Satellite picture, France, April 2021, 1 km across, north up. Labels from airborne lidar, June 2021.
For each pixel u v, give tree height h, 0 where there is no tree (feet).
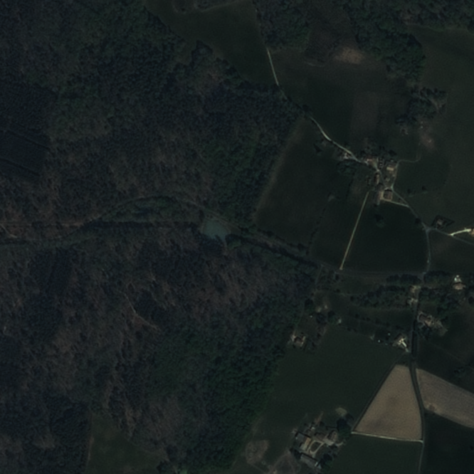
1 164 36
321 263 0
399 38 75
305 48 60
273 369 75
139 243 55
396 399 0
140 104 79
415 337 51
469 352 0
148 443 33
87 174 68
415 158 0
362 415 0
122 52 74
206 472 70
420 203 0
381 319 0
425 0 76
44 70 75
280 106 96
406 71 88
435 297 54
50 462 73
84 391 37
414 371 0
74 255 74
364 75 0
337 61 0
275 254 71
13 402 52
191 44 0
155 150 88
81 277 51
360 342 0
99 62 41
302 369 0
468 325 0
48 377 57
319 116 0
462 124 0
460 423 0
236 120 97
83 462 25
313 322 0
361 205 0
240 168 79
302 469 0
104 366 48
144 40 50
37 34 57
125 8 62
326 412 0
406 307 24
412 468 0
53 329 56
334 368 0
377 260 0
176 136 57
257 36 0
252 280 42
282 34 57
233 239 33
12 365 24
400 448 0
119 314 41
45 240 62
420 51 86
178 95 87
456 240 0
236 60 0
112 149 87
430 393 0
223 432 66
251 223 67
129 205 68
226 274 34
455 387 0
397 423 0
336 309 0
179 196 54
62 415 66
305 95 0
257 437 0
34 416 80
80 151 83
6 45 46
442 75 0
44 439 37
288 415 0
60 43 61
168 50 74
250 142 67
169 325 49
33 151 45
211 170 37
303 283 70
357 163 23
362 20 79
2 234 35
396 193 0
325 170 0
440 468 0
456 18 64
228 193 60
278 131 83
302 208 0
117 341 52
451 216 0
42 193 40
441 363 0
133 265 47
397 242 0
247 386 95
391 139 0
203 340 75
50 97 51
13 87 56
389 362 0
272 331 53
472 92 0
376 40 88
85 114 43
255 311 58
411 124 66
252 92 71
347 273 0
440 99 46
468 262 0
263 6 39
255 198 68
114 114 35
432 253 0
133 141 82
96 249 35
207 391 72
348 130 0
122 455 0
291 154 0
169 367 61
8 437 44
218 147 54
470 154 0
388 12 61
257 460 0
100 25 70
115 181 91
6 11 58
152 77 79
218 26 0
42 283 56
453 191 0
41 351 36
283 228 0
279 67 0
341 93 0
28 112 57
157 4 0
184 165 58
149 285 54
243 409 80
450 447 0
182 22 0
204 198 34
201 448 80
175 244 36
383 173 0
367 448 0
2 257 61
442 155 0
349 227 0
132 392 66
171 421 62
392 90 0
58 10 52
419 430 0
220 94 40
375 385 0
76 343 36
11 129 33
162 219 69
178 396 60
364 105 0
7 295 31
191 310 60
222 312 41
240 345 47
